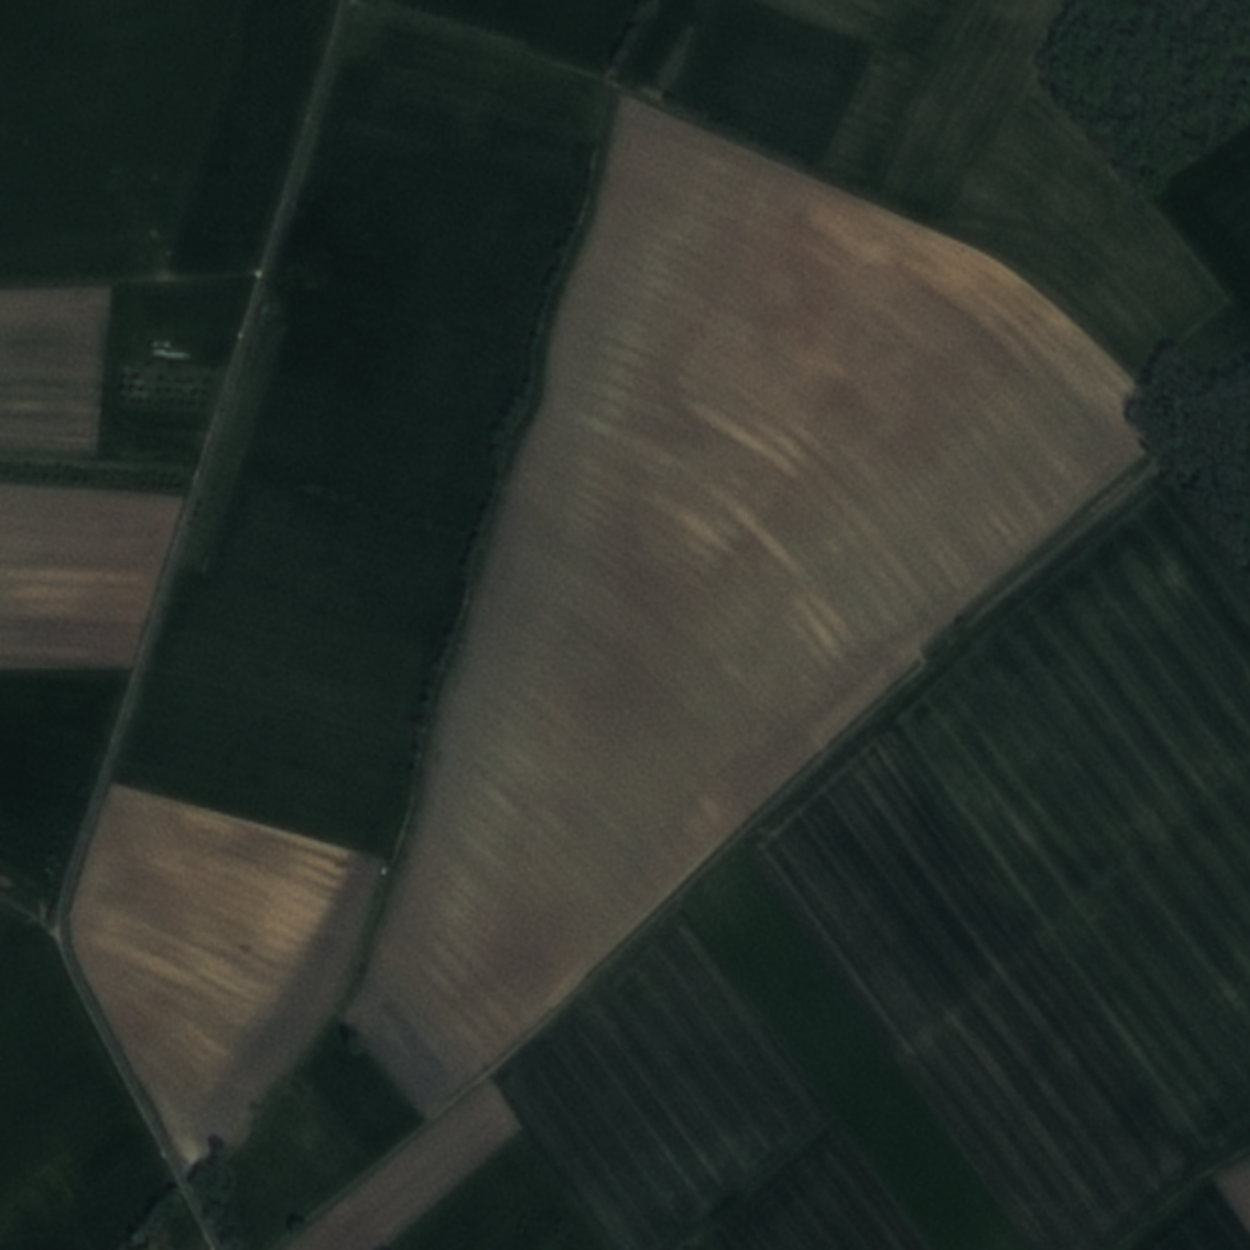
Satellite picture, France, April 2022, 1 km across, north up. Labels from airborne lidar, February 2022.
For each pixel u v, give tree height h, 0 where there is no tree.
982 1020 0
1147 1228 0
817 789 0
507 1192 0
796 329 0
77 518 0
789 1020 0
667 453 0
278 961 0
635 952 0
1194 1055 0
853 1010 0
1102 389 0
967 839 0
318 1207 0
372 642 0
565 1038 0
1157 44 30
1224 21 30
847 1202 0
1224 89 24
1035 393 0
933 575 0
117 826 0
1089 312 0
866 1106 0
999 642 0
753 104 0
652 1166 0
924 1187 0
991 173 0
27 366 0
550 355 0
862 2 0
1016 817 0
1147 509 0
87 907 0
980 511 0
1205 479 16
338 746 0
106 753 0
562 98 0
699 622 0
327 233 0
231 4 0
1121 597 0
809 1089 0
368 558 0
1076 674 0
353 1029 0
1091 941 0
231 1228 9
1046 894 0
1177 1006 0
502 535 0
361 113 0
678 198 0
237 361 0
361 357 0
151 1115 0
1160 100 27
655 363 0
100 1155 0
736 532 0
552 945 0
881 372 0
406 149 0
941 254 0
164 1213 18
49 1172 0
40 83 0
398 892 0
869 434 0
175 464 0
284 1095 0
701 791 0
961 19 0
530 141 0
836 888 0
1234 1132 0
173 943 0
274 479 0
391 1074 0
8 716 0
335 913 0
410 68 0
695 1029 0
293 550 0
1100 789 0
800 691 0
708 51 0
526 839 0
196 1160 0
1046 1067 0
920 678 0
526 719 0
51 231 0
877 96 0
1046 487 0
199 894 0
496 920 0
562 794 0
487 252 0
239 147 0
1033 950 0
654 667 0
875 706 0
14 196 0
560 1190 0
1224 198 0
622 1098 0
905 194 0
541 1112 0
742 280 0
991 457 0
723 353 0
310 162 0
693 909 0
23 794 0
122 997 0
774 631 0
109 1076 0
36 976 0
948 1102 0
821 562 0
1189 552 0
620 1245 0
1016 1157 0
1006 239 0
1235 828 0
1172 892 0
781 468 0
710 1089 0
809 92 0
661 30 0
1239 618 0
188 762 0
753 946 0
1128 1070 0
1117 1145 0
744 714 0
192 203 0
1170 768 0
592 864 0
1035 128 0
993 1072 0
